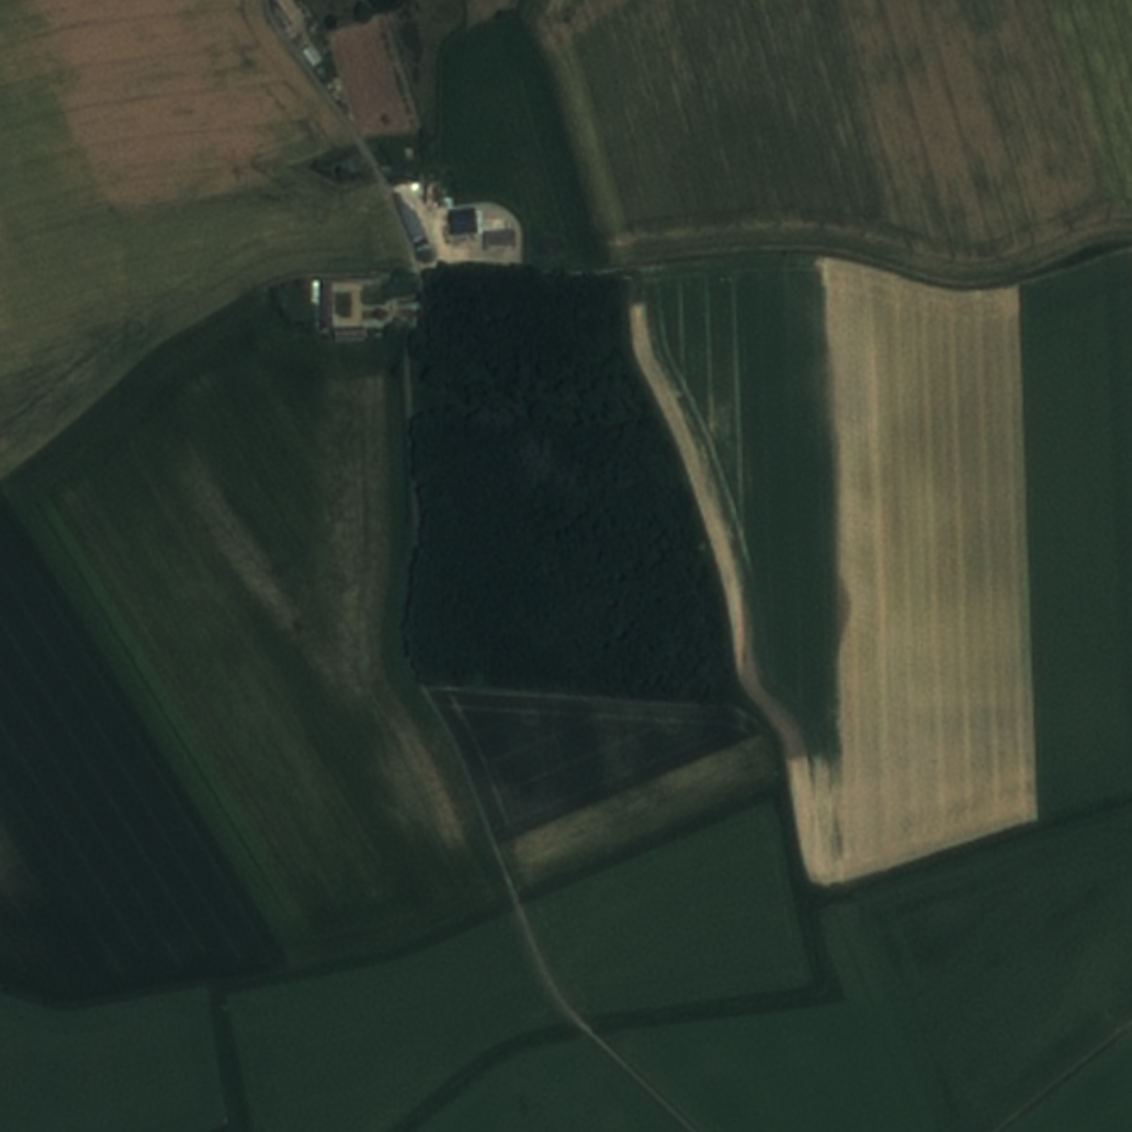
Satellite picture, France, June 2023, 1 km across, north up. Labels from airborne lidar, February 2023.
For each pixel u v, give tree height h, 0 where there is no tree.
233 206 0
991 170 0
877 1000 0
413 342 12
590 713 0
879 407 0
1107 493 0
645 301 0
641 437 22
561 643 20
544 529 21
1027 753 0
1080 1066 0
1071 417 0
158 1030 0
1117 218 0
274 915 0
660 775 0
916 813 0
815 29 0
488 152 0
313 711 0
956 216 0
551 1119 0
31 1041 0
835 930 0
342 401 0
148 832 0
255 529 0
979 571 0
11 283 0
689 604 20
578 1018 0
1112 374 0
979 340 0
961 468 0
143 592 0
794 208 0
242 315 0
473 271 13
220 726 0
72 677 0
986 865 0
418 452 14
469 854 0
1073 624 0
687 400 0
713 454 0
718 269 0
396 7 13
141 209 0
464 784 0
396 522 0
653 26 0
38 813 0
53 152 0
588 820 0
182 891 0
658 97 0
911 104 0
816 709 0
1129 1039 0
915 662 0
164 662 0
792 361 0
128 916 0
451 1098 0
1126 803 0
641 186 0
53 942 0
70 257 0
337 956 0
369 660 0
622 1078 0
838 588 0
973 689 0
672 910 0
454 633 21
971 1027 0
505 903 0
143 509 0
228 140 0
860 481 0
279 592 0
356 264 0
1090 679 0
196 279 0
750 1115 0
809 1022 0
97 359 0
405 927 0
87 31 0
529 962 0
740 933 0
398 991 0
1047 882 0
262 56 0
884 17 0
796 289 0
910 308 0
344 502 0
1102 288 0
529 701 0
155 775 0
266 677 0
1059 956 0
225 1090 0
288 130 0
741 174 0
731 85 0
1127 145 0
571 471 16
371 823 0
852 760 0
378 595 0
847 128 0
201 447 0
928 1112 0
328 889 0
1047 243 0
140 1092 0
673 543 19
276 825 0
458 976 0
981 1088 0
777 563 0
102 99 0
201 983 0
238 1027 0
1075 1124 0
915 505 0
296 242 0
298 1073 0
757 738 0
